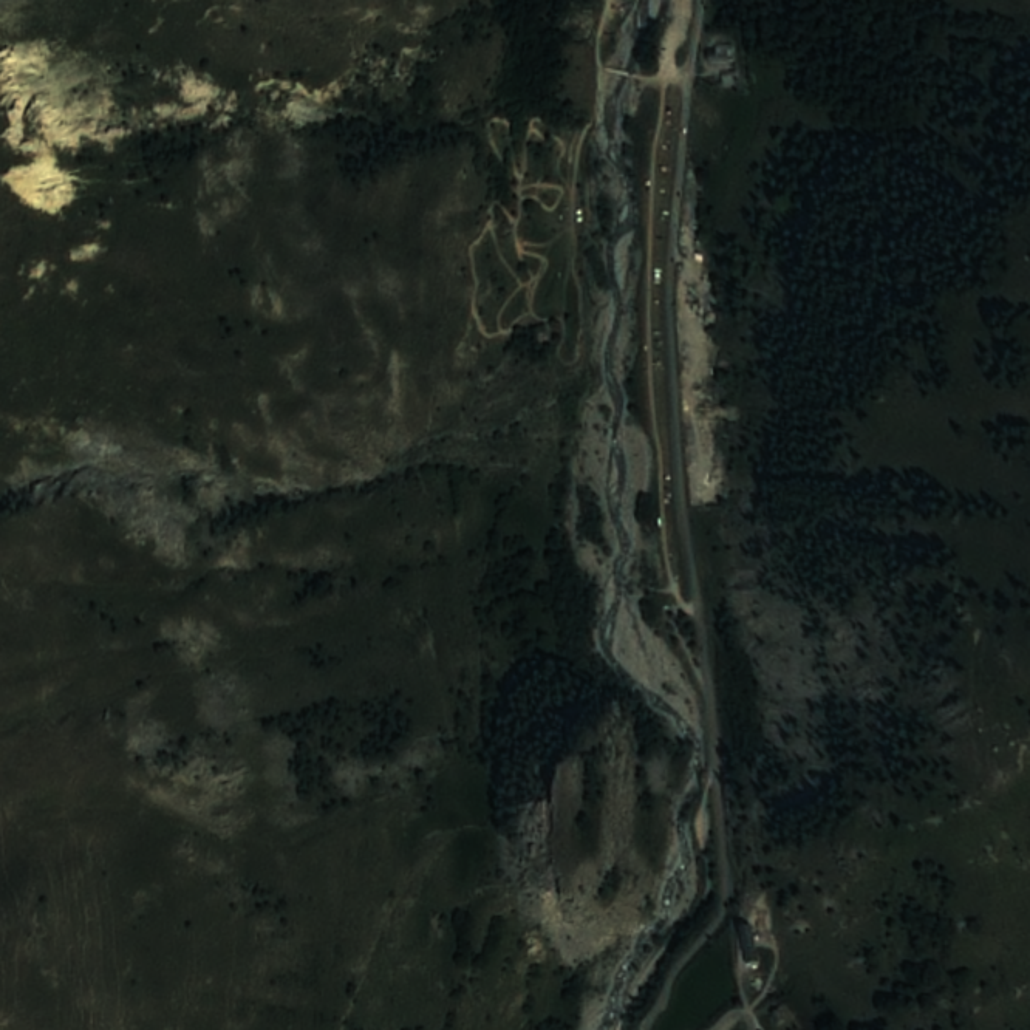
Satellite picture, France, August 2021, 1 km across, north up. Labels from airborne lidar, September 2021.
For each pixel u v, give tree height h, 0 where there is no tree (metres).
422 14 0
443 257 0
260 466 0
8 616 0
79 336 0
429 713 0
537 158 9
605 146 0
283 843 0
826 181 12
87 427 0
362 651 0
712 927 0
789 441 15
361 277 0
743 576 0
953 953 0
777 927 0
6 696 0
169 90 0
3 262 0
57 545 0
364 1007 0
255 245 0
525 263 9
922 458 0
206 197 0
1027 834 0
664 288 0
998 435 11
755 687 7
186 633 0
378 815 0
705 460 0
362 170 14
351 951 0
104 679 0
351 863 0
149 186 0
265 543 0
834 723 11
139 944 0
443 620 0
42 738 0
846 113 18
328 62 0
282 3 0
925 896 0
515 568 8
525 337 10
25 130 0
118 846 0
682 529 0
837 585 9
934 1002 8
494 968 0
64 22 0
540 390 0
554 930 0
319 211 0
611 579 0
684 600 0
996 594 0
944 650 10
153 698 0
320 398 0
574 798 0
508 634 10
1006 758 0
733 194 0
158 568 0
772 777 10
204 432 0
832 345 16
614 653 0
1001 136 18
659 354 0
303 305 0
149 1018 0
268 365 0
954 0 0
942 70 15
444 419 0
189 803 0
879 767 0
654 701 0
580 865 0
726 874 0
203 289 0
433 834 0
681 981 0
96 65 0
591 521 12
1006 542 0
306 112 0
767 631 0
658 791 0
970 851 0
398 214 0
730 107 0
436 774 0
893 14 9
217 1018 0
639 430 0
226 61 0
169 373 0
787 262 9
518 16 22
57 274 0
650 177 0
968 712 0
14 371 0
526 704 25
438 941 0
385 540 0
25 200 0
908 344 21
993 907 0
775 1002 8
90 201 0
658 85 0
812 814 21
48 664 0
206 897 0
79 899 0
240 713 0
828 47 11
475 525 0
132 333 0
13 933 0
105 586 0
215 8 0
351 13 0
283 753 0
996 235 14
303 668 0
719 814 0
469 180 0
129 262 0
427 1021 0
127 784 0
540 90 10
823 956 0
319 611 0
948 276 19
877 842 0
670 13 0
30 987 0
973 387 0
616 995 0
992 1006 0
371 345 0
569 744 11
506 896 0
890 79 18
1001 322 24
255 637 0
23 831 0
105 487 0
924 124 0
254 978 0
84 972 0
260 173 0
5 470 0
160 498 0
